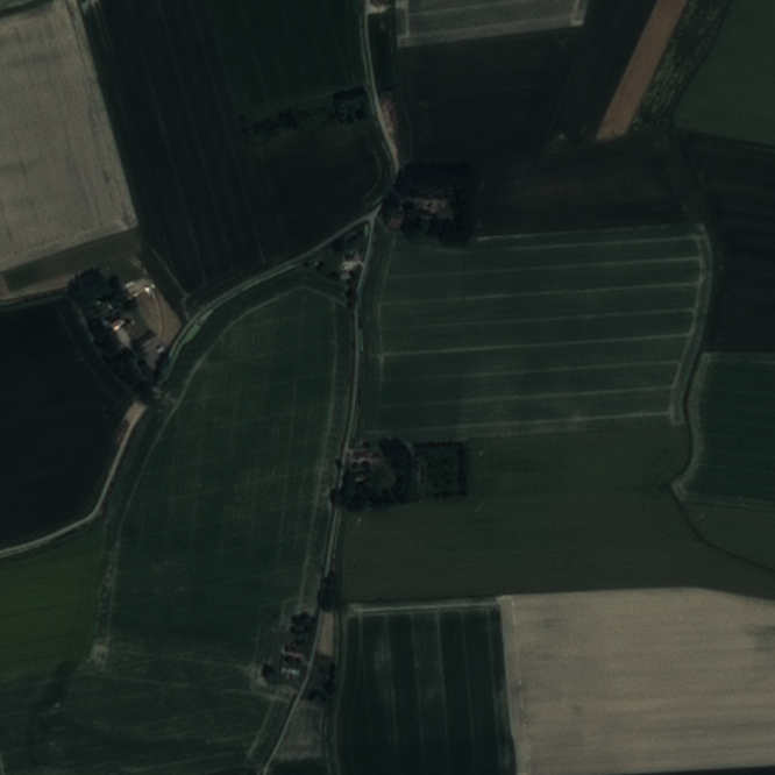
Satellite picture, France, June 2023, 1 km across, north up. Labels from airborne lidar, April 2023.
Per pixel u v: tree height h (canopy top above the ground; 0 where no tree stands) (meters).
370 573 0
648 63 0
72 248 0
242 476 0
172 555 0
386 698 0
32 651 0
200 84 0
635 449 0
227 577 0
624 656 0
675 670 0
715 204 0
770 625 0
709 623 0
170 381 0
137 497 0
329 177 0
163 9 0
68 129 0
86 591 0
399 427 0
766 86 0
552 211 0
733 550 0
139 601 0
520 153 0
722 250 0
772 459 0
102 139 0
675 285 0
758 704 0
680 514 0
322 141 0
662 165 0
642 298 0
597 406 0
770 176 0
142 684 0
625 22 0
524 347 0
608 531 0
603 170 0
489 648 0
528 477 0
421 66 0
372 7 0
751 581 0
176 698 0
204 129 0
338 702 0
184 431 0
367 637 0
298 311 0
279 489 0
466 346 0
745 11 0
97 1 0
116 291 21
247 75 0
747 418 0
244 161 0
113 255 0
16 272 0
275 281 0
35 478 0
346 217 0
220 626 0
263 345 0
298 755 0
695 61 0
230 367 0
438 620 0
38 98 0
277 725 0
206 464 0
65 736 0
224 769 0
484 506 0
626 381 0
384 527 0
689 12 0
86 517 0
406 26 0
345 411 0
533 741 0
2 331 0
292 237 0
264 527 0
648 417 0
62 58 0
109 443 0
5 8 0
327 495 0
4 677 0
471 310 0
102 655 0
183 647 0
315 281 0
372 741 0
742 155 0
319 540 0
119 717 0
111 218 0
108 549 0
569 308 0
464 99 0
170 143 0
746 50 0
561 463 0
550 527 0
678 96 0
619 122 0
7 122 0
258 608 0
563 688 0
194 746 0
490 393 0
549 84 0
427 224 6
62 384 0
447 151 0
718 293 0
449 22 0
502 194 0
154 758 0
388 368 0
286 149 0
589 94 0
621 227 0
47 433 0
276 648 0
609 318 0
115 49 0
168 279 0
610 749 0
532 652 0
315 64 0
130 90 0
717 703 0
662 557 0
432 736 0
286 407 0
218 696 0
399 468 19
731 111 0
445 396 0
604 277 0
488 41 0
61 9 0
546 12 0
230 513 0
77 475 0
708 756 0
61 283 0
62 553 0
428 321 0
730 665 0
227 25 0
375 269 0
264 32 0
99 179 0
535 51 0
